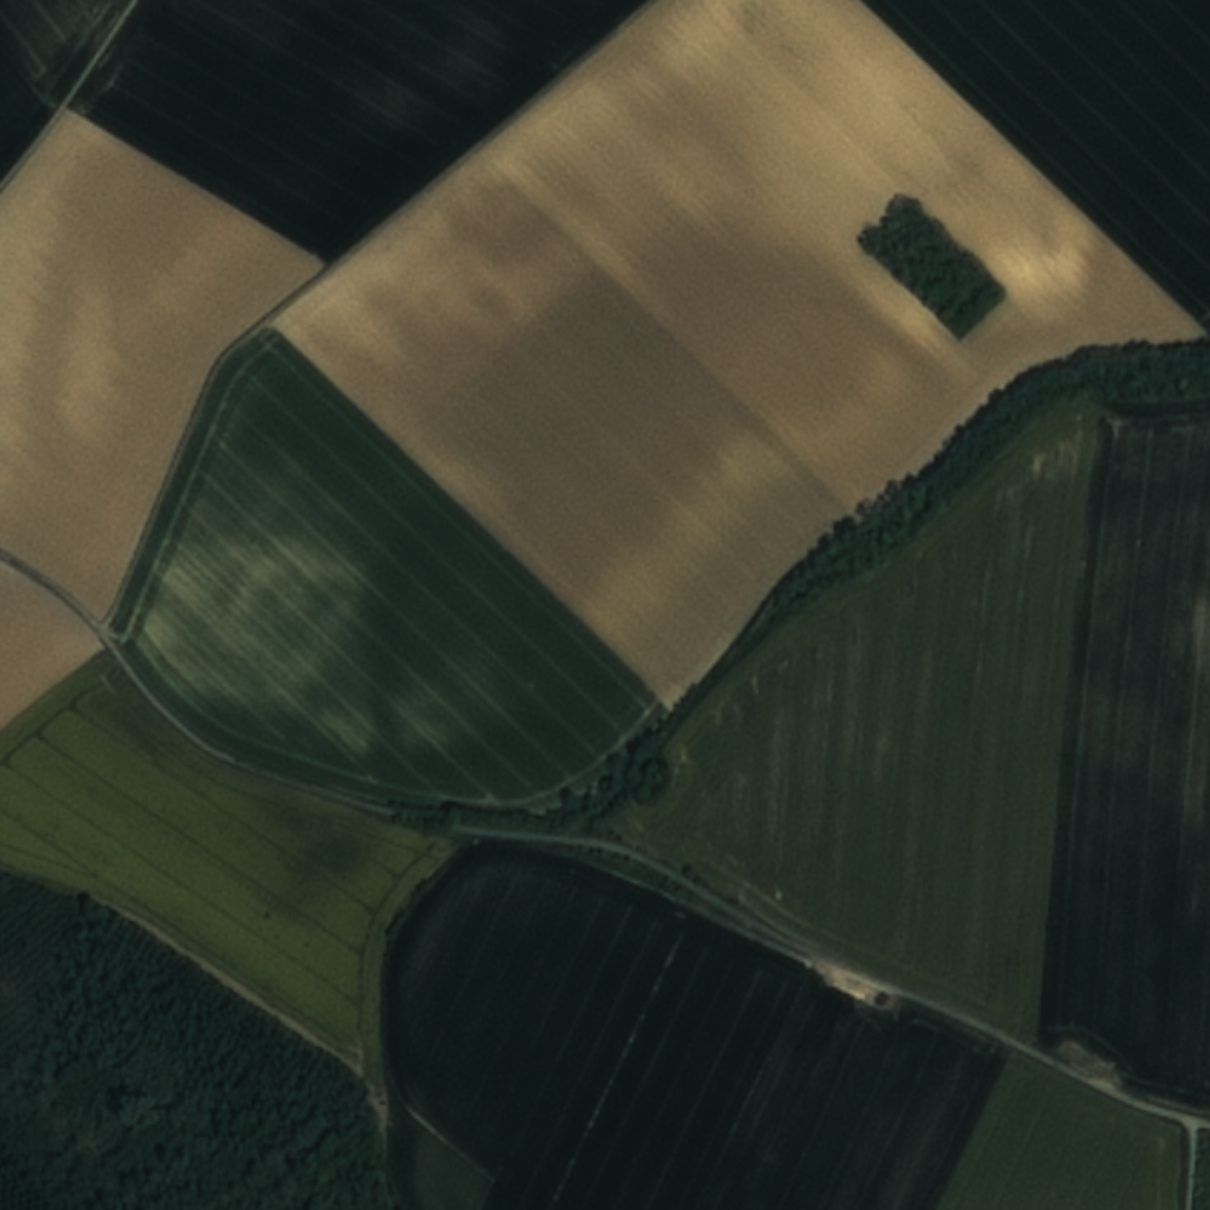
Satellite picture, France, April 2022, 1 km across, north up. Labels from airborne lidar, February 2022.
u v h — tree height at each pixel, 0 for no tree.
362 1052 0
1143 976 0
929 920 0
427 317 0
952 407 0
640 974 0
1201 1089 0
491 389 0
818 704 0
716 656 0
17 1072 18
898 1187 0
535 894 0
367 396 0
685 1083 0
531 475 0
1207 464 0
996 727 0
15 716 0
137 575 0
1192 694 0
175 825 0
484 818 15
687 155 0
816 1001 0
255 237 0
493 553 0
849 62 0
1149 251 0
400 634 0
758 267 0
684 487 0
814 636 0
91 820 0
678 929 0
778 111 0
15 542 0
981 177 0
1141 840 0
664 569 0
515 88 0
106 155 0
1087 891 0
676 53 0
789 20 0
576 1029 0
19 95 0
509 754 0
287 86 0
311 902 0
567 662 0
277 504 0
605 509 0
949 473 16
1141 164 0
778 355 0
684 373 0
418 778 0
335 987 0
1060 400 14
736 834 0
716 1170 0
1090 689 0
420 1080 0
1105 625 0
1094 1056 0
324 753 0
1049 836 0
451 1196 0
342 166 0
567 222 0
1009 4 0
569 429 0
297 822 0
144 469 0
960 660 0
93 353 0
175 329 0
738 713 0
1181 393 17
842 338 0
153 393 0
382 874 0
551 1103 0
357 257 0
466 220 0
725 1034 0
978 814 0
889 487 0
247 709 0
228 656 0
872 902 0
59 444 0
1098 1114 0
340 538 0
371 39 0
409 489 0
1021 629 0
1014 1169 0
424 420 0
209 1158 10
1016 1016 0
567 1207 0
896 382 0
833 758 0
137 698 0
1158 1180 0
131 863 0
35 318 0
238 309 0
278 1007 0
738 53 0
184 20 0
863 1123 0
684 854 0
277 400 0
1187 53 0
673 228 0
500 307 0
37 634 0
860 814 0
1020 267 0
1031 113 0
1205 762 0
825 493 0
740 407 0
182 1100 14
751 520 0
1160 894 0
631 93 0
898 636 0
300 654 0
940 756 0
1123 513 0
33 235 0
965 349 0
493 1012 0
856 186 0
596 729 0
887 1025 0
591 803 6
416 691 0
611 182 0
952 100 0
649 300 0
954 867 0
